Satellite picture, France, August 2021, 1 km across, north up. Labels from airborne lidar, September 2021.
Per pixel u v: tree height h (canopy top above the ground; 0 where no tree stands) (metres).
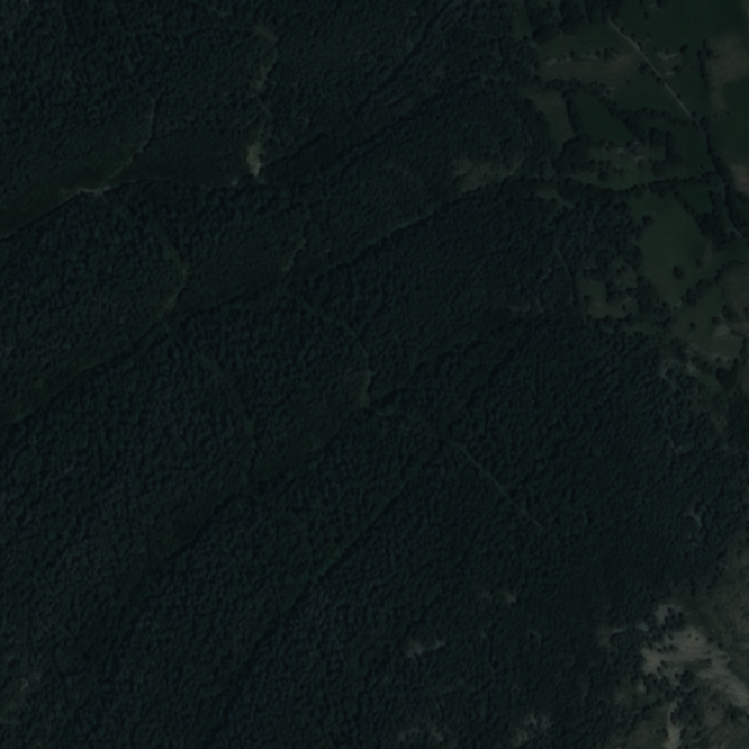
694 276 0
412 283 26
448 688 9
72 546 23
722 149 0
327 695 29
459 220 29
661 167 10
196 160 14
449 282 21
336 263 21
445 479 17
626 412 24
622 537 17
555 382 25
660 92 0
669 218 0
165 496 31
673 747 0
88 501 22
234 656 34
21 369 28
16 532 15
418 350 18
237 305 27
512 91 19
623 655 8
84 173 14
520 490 16
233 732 20
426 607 6
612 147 8
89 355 20
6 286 12
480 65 14
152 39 24
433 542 32
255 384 10
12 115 12
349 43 20
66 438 23
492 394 21
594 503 18
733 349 0
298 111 23
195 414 26
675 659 0
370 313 25
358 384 20
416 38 25
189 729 30
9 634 6
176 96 16
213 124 24
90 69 26
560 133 0
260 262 22
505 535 21
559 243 23
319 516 22
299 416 19
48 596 20
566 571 18
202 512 17
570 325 18
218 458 23
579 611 18
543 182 14
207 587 22
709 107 0
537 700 21
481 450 17
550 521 24
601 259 16
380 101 22
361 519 23
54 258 14
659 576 16
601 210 8
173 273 14
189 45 19
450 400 20
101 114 12
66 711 20
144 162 12
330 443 17
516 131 18
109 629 12
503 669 17
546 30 22
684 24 0
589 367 23
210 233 11
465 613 24
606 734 11
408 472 30
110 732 15
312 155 17
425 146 17
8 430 10
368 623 26
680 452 16
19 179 10
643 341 18
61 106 16
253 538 12
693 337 0
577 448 23
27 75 18
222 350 27
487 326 20
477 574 18
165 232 7
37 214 15
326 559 21
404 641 21
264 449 24
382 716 19
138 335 22
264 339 15
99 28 15
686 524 21
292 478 18
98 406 28
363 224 25
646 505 26
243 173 12
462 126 19
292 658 20
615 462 18
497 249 21
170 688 24
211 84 16
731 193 14
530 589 25
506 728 17
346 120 16
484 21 21
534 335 22
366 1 18
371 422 25
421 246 24
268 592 28
